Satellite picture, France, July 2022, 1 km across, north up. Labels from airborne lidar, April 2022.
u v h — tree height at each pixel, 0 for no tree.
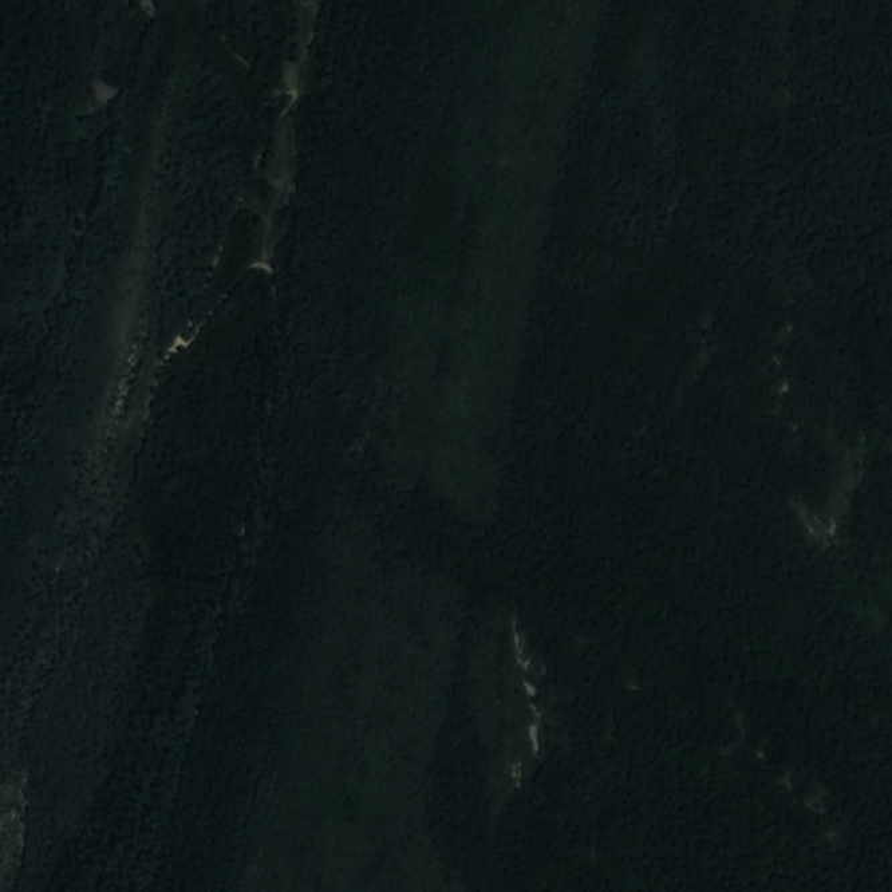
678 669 7
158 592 16
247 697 16
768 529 10
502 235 6
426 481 11
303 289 18
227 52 7
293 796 6
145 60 20
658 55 6
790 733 13
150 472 18
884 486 10
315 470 12
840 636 12
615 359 7
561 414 7
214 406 6
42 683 15
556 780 15
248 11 19
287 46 18
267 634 15
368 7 15
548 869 18
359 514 7
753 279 9
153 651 7
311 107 6
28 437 17
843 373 7
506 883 14
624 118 12
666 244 10
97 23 6
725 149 9
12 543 6
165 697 6
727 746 14
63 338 18
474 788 9
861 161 13
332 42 18
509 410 6
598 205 7
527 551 20
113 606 18
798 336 8
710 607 15
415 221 7
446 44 9
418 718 6
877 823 15
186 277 23
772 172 17
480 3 7
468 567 16
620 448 7
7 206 13
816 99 17
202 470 11
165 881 16
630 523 13
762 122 8
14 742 15
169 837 16
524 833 15
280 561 13
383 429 8
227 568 11
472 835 17
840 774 9
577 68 7
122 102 21
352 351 11
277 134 14
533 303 8
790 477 7
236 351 9
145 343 10
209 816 11
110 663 19
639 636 7
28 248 7
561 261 14
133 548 13
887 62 13
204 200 20
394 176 10
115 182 15
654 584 10
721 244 16
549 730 11
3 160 15
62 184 22
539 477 13
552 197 7
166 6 21
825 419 6
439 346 6
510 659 5
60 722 19
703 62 12
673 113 9
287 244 10
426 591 6
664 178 10
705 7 12
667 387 5
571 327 10
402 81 14
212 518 9
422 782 6
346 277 17
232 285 7
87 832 22
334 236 20
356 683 7
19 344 13
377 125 16
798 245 10
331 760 6
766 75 9
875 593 6
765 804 10
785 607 8
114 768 18
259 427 8
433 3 9
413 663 6
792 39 6
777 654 18
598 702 7
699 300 9
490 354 6
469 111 7
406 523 18
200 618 20
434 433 6
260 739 13
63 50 12
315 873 7
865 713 18
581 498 8
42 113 16
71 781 16
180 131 5
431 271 6
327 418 14
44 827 20
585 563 11
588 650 6
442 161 7
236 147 6
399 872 9
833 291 11
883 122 7
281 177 0
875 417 12
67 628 20
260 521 21
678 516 17
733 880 18
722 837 8
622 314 10
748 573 10
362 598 6
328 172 20
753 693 9
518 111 8
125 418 10
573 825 13
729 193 14
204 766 13
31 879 24
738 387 14
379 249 8
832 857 10
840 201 15
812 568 10
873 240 15
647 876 13
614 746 8
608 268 6
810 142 15
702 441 12
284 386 14
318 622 6
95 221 16
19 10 14
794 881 21
